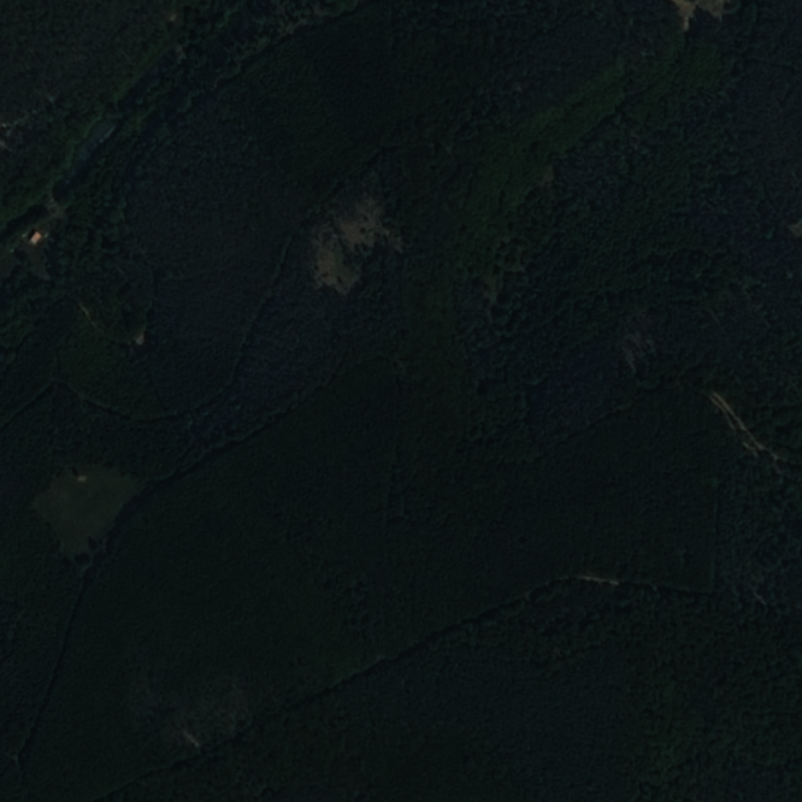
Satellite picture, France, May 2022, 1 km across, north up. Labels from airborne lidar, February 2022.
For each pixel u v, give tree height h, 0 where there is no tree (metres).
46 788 0
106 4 26
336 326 22
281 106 12
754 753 22
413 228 16
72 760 0
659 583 15
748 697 27
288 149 12
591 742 22
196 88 24
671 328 26
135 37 15
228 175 24
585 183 28
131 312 12
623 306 25
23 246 0
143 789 22
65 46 27
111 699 0
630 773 18
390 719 19
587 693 25
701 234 28
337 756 19
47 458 18
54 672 13
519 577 17
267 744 26
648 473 17
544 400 27
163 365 19
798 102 24
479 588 15
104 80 28
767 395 27
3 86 28
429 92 17
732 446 15
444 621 10
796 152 22
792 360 23
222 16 20
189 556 0
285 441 18
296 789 27
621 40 28
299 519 13
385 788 21
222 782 25
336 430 17
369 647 17
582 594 16
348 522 15
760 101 26
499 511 13
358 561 18
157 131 26
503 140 24
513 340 9
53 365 13
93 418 11
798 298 27
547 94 23
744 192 35
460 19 24
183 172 25
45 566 18
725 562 14
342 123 15
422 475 14
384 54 18
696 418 17
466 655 19
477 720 18
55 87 26
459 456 18
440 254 22
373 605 16
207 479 15
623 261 27
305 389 24
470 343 31
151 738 0
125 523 13
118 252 33
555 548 16
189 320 24
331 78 16
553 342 17
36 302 22
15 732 20
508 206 26
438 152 19
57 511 0
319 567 18
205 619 0
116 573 0
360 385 17
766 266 32
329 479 15
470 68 23
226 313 20
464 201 25
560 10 23
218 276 22
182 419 28
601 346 22
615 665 23
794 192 25
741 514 15
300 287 19
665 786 35
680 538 17
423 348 23
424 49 21
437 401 23
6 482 22
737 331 26
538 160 26
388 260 25
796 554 18
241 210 19
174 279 22
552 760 23
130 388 15
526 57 24
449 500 17
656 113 24
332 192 21
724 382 11
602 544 15
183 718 0
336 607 15
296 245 20
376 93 16
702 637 26
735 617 26
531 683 19
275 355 20
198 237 23
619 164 29
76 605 16
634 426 20
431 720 22
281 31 16
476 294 41
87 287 19
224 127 26
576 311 24
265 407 26
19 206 26
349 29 18
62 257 23
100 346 12
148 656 0
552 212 11
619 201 31
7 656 16
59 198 21
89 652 0
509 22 26
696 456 17
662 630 26
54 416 19
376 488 18
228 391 24
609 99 21
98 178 14
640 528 16
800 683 27
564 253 21
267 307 19
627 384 24
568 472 20
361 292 18
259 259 19
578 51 22
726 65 35
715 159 22
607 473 16
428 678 17
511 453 27
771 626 21
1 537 12
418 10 13
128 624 0
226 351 20
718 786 20
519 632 21
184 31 9
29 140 33
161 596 0
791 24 24
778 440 13
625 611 22
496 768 19
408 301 18
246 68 12
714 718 28
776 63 23
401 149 22
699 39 25
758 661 27
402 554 13
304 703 23
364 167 21
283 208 22
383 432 16
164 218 26
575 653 22
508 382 25
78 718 0
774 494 14
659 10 29
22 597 11
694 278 15
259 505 19
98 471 0
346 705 20
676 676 26
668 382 19
